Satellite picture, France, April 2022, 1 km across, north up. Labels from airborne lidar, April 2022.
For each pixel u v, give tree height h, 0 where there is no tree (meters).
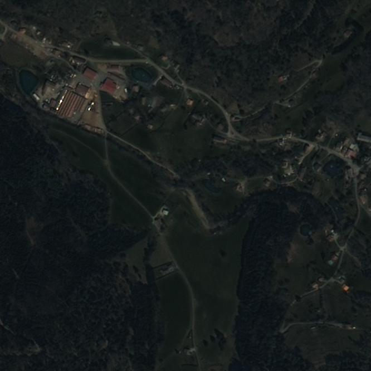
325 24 15
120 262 8
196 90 0
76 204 30
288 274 0
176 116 0
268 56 17
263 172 15
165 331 25
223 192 0
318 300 0
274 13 31
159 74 0
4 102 30
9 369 16
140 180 0
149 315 32
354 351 0
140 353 25
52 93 0
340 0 20
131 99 14
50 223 14
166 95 0
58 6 11
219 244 0
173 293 0
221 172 10
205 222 0
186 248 0
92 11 14
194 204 0
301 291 0
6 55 0
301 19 27
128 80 0
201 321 0
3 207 21
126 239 18
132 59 0
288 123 0
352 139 0
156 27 13
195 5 20
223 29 17
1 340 16
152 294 30
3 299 16
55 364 20
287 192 26
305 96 0
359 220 0
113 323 41
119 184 0
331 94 18
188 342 0
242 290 23
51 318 18
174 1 19
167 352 0
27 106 16
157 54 0
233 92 10
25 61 0
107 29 0
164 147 0
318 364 0
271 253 26
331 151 0
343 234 21
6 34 0
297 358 21
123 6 18
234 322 0
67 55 15
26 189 15
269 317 18
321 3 23
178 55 13
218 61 15
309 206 26
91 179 15
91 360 23
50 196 14
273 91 13
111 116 0
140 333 34
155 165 19
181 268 0
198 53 15
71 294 22
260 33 26
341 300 0
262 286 29
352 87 23
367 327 0
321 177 0
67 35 7
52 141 24
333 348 0
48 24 7
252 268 28
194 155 0
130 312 18
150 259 8
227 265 0
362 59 25
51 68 0
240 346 9
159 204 0
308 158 0
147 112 0
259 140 0
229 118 0
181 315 0
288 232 31
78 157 19
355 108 0
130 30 8
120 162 0
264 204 29
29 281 19
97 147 0
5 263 21
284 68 13
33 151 13
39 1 16
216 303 0
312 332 0
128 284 9
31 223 23
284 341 22
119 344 32
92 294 26
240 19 10
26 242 23
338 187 0
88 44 0
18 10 0
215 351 0
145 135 0
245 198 0
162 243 0
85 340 32
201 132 0
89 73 0
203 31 11
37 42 0
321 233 0
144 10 18
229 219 25
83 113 0
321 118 0
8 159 18
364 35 0
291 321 9
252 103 12
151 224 0
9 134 13
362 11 0
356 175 0
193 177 16
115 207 0
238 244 0
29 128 9
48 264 15
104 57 0
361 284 0
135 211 0
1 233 19
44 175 11
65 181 7
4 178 14
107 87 0
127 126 0
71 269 16
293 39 23
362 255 16
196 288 0
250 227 0
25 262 23
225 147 0
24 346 18
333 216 21
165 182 23
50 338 14
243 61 11
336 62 0
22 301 23
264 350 31
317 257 0
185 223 0
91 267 13
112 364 28
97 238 27
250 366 8
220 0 21
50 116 19
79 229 20
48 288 14
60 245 20
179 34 18
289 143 0
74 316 10
